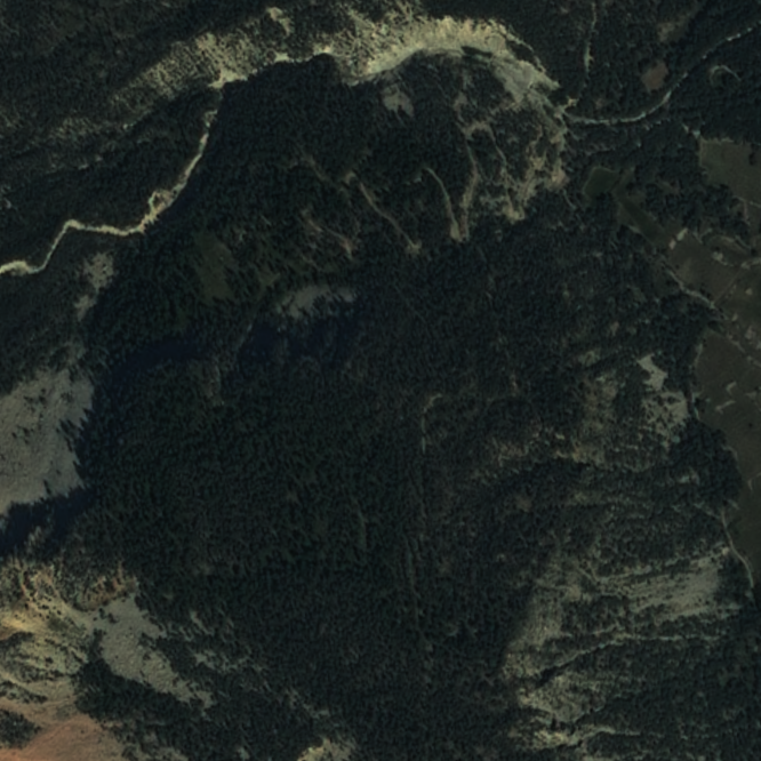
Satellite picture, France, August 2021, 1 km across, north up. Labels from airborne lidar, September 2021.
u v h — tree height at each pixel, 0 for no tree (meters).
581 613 9
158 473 21
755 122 15
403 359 14
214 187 15
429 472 17
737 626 8
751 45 14
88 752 0
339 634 16
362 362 13
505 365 7
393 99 0
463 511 16
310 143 19
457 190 8
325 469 16
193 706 8
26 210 7
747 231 8
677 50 11
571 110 12
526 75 0
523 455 6
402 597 18
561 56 10
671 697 12
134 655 0
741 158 0
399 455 12
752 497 0
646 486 12
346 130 18
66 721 0
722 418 0
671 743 10
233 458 17
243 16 10
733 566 10
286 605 9
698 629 7
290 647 14
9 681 7
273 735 14
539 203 14
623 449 7
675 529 5
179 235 16
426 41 0
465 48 6
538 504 11
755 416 0
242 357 7
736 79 14
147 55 14
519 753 9
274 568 19
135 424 20
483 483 5
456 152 14
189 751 13
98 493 15
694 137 13
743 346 0
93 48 13
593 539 6
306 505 20
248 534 16
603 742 9
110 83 13
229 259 0
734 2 16
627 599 12
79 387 0
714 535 9
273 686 11
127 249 9
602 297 10
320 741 9
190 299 35
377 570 19
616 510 11
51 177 7
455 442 15
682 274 0
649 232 0
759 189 0
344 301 0
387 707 9
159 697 14
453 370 15
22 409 0
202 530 10
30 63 16
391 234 14
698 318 20
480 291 6
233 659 9
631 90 15
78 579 7
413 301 17
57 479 0
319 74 19
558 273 9
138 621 0
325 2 8
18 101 9
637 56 23
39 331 15
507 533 13
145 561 22
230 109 10
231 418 16
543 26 6
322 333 12
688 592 0
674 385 9
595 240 7
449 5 11
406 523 14
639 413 8
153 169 13
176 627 8
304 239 12
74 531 8
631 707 11
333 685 15
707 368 0
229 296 0
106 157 8
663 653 6
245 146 17
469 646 19
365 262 19
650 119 11
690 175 9
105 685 14
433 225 11
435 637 14
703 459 17
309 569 16
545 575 7
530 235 12
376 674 15
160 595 19
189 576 14
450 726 8
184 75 7
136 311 24
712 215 7
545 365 10
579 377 17
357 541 13
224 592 27
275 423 16
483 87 11
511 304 16
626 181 0
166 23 18
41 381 0
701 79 17
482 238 15
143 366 10
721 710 12
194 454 18
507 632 14
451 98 8
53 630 0
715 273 0
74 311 7
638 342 7
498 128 9
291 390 12
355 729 12
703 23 18
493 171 9
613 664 10
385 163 12
